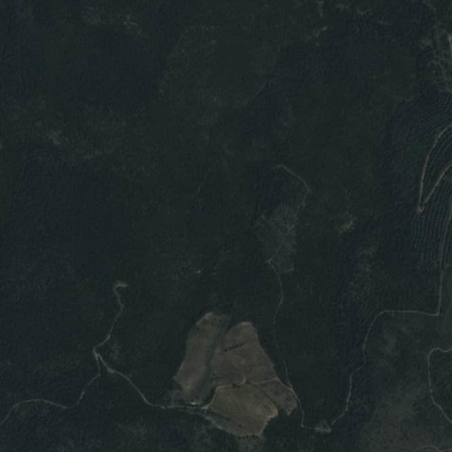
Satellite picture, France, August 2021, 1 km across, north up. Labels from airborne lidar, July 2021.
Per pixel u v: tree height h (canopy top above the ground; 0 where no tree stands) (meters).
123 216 7
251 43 5
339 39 7
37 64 5
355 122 7
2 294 8
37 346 6
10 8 8
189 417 6
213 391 7
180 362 7
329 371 12
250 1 5
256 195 6
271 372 0
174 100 6
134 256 6
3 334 10
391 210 10
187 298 7
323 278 9
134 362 6
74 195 7
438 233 10
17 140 8
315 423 11
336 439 6
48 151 6
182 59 6
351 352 6
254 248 9
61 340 6
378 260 8
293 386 6
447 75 7
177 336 9
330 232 7
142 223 6
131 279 6
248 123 7
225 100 6
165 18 5
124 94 5
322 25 6
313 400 8
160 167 7
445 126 7
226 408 0
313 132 6
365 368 5
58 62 6
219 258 6
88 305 6
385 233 7
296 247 8
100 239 6
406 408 0
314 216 7
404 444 0
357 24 7
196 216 6
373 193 7
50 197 7
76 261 5
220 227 5
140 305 7
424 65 6
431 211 8
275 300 6
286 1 6
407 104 7
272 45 6
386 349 0
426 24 7
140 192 7
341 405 7
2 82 6
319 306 11
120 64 6
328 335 10
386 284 6
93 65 6
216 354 0
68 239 6
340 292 9
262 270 7
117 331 6
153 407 6
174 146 7
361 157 7
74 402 9
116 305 6
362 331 6
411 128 6
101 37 7
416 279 5
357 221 7
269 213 7
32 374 6
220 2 6
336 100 6
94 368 5
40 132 6
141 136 6
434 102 6
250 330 0
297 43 6
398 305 8
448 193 7
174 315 6
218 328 0
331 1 8
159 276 7
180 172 7
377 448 0
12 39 8
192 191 9
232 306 5
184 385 0
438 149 7
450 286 0
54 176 6
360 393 9
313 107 7
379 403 0
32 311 6
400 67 5
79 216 7
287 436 6
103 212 6
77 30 6
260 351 0
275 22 6
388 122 7
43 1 8
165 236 6
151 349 10
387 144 8
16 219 7
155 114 6
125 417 5
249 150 8
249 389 0
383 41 6
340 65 9
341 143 7
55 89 6
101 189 6
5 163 7
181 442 7
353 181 8
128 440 6
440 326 0
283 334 7
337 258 8
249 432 0
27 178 7
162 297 6
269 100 5
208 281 9
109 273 5
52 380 8
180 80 6
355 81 7
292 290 7
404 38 9
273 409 0
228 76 6
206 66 6
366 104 6
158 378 8
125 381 6
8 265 6
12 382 7
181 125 6
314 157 6
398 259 9
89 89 6
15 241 7
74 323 7
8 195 10
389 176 6
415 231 9
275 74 7
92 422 6
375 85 6
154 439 7
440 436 0
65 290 6
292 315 8
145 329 7
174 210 8
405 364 5
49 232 7
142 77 6
